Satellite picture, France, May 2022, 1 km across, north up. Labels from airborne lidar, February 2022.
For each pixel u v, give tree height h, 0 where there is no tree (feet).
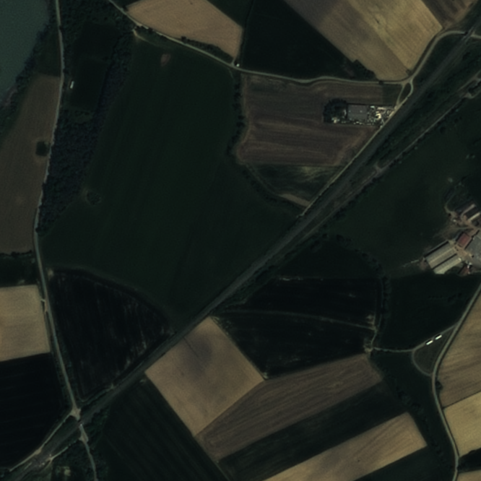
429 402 0
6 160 0
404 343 0
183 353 0
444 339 0
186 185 0
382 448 0
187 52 0
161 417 0
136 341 0
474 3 0
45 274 0
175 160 0
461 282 0
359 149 0
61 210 30
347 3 0
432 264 0
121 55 56
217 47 0
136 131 0
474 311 0
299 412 0
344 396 0
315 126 0
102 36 0
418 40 0
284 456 0
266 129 0
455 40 0
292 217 0
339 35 0
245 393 0
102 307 0
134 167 0
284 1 0
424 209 0
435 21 0
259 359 0
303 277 0
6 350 0
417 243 0
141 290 0
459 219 0
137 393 0
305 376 0
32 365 0
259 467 0
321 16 0
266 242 0
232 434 0
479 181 0
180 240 0
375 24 0
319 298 0
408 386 0
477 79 0
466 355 0
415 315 0
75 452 27
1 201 0
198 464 0
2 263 0
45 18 0
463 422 0
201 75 0
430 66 0
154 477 0
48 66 0
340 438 0
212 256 0
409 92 0
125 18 26
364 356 0
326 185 0
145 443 0
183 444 0
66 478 0
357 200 31
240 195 0
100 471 52
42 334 0
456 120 21
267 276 36
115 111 0
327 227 41
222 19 0
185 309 0
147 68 0
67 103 0
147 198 0
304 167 0
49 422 0
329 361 0
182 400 0
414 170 0
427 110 24
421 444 0
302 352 0
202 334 0
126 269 0
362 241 0
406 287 0
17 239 0
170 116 0
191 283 0
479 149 0
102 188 0
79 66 0
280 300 0
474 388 0
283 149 0
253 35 0
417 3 0
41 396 0
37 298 0
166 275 0
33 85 0
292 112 0
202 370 0
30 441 0
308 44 0
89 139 80
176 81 0
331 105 50
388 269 0
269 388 0
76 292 0
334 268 0
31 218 0
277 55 0
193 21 0
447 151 0
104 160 0
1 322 0
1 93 0
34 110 0
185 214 0
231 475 0
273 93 0
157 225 0
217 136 0
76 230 0
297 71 0
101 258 0
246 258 0
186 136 0
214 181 0
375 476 0
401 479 0
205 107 0
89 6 26
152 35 36
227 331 0
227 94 0
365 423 0
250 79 0
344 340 0
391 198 0
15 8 0
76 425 0
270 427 0
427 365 0
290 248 0
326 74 0
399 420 0
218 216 0
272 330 0
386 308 38
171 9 0
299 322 0
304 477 0
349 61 0
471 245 0
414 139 0
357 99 0
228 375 0
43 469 0
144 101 0
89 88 0
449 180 0
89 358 0
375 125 0
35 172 0
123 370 0
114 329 0
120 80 54
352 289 0
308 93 0
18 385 0
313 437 0
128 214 0
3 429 0
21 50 0
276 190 0
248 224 0
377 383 0
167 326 0
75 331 0
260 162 0
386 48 0
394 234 0
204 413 0
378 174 0
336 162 0
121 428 0
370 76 39
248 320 0
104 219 0
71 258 0
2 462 0
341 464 0
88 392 0
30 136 0
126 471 0
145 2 0
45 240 0
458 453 0
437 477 0
